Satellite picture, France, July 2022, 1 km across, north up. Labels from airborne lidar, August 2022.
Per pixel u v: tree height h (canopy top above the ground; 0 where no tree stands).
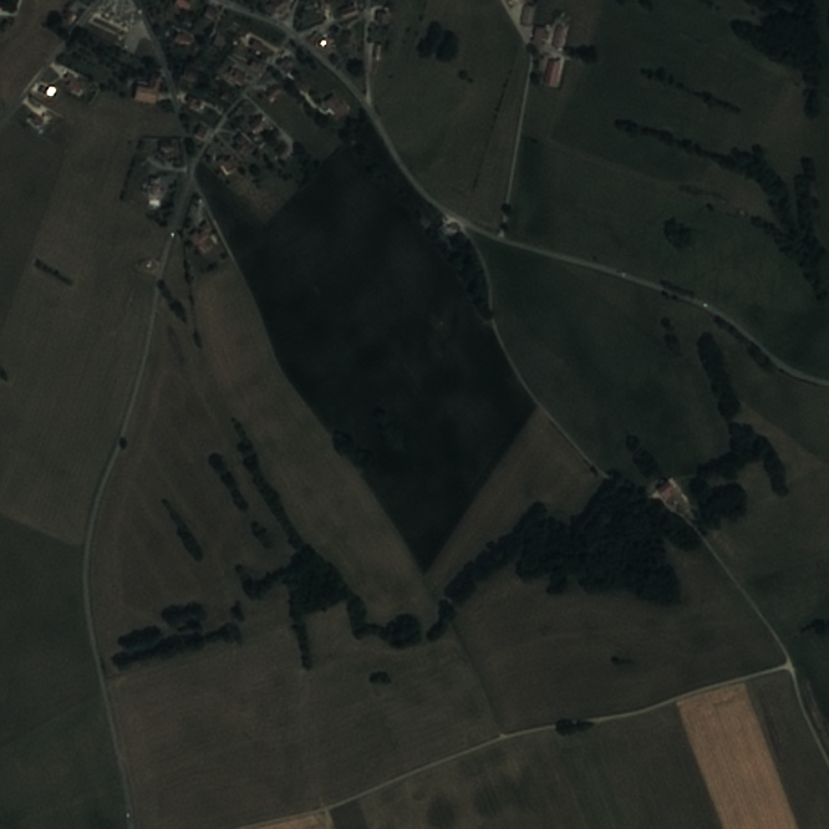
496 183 0
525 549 19
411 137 0
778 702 0
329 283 0
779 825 0
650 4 15
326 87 0
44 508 0
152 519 0
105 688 0
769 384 0
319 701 0
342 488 0
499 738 0
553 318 0
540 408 0
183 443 0
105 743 0
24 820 0
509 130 0
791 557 0
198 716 0
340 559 0
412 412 0
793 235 15
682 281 0
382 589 0
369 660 0
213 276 0
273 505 9
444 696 0
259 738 0
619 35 0
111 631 0
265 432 0
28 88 0
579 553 9
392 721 0
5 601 0
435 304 0
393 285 0
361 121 8
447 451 0
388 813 0
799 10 14
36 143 0
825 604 0
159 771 0
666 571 21
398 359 0
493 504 0
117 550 0
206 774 0
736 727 0
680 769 0
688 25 0
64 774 0
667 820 0
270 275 0
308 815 0
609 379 0
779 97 0
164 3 6
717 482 0
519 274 0
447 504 0
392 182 8
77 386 0
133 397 0
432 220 0
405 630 19
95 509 0
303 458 0
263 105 0
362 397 0
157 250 0
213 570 0
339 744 0
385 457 0
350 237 0
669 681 0
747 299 0
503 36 0
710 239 0
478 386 0
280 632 0
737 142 0
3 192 0
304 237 0
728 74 0
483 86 0
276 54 0
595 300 0
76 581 0
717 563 0
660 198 0
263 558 0
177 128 0
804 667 0
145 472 0
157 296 0
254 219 0
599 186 0
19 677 0
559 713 0
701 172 0
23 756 0
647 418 0
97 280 0
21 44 0
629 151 0
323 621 0
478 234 0
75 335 0
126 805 0
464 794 0
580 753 0
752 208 0
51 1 0
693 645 0
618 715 0
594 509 10
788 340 0
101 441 0
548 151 0
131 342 0
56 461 0
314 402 0
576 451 0
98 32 0
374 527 0
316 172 9
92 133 0
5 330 0
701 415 0
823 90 0
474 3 0
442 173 0
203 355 0
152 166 0
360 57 0
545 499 0
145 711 0
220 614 0
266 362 0
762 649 0
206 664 0
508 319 0
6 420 0
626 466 0
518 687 0
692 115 0
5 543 0
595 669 0
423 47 14
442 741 0
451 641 0
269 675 0
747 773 0
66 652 0
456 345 0
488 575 12
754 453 17
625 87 0
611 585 20
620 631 0
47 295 0
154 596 0
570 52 8
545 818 0
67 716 0
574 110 0
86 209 0
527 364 0
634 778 0
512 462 0
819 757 0
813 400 0
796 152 0
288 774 0
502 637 0
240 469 0
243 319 0
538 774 0
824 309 0
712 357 20
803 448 0
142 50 0
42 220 0
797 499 0
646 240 0
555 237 0
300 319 0
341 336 0
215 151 0
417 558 0
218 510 0
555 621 0
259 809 0
